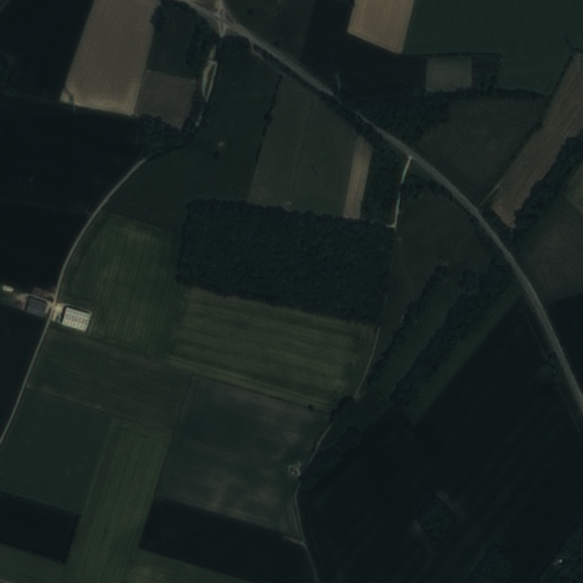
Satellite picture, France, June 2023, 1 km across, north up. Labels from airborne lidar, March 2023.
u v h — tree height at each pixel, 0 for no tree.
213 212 21
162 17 24
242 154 0
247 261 18
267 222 18
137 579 0
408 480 0
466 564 0
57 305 0
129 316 0
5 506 0
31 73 0
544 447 0
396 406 18
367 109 17
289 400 0
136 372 0
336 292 7
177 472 0
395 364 0
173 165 0
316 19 0
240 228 21
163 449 0
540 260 0
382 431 0
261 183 0
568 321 0
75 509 0
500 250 12
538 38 0
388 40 0
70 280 0
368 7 0
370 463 0
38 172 0
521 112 0
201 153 0
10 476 0
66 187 0
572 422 0
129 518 0
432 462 0
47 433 0
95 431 0
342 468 0
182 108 0
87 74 0
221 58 18
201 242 23
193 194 0
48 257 0
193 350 0
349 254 17
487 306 20
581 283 0
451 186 0
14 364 0
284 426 0
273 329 0
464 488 0
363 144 0
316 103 0
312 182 0
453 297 0
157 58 0
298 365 0
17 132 0
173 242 0
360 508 0
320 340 0
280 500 0
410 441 0
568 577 17
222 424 0
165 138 17
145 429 0
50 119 0
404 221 0
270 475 0
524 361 0
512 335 0
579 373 0
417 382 14
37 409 0
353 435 21
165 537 0
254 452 0
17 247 0
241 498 0
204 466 0
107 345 0
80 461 0
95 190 0
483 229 11
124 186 0
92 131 0
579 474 0
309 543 0
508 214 0
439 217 0
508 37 0
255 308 0
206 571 0
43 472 0
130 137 0
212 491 0
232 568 0
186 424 0
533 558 0
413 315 16
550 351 0
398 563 0
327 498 0
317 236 20
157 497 0
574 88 0
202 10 0
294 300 14
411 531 0
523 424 0
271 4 0
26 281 0
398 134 11
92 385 0
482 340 0
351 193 0
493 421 0
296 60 0
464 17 0
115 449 0
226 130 0
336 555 0
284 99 0
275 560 0
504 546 0
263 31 0
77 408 0
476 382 0
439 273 12
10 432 0
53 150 0
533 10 0
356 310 15
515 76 0
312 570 0
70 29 0
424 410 0
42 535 0
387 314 0
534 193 16
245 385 0
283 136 0
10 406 0
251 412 0
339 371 0
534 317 0
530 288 0
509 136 0
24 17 0
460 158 0
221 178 0
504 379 0
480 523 0
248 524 0
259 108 0
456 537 0
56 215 0
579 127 0
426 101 21
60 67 0
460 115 0
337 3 0
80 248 0
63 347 0
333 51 0
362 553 0
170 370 0
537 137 0
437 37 0
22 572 0
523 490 0
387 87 0
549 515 0
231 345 0
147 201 0
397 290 0
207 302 0
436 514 21
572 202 0
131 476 0
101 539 0
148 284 0
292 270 21
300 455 0
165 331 0
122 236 0
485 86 9
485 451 0
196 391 0
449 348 17
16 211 0
